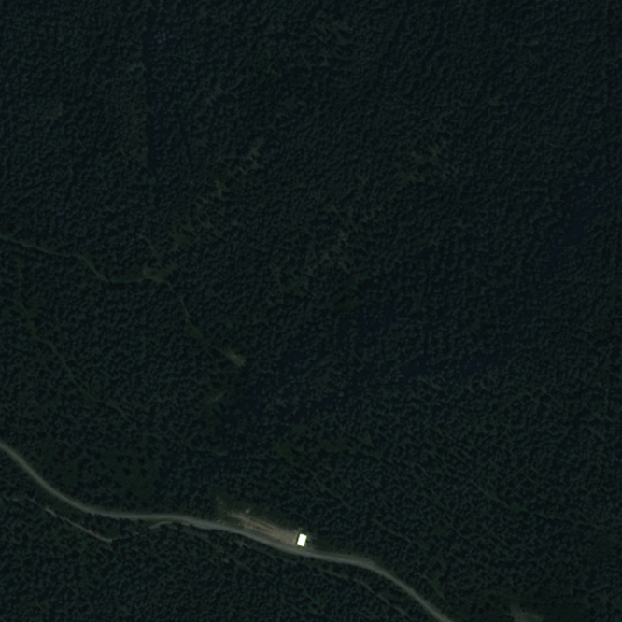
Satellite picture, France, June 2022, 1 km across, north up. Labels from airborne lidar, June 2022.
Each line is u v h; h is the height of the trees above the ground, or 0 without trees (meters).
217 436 6
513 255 23
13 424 34
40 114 21
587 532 27
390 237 30
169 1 19
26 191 27
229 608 21
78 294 15
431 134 23
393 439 32
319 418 30
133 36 20
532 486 37
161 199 22
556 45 30
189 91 35
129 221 23
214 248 31
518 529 9
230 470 23
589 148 14
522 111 32
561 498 25
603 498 13
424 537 6
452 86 30
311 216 32
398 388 34
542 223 29
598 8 31
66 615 19
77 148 23
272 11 35
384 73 29
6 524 22
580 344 24
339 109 23
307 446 6
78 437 25
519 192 29
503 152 16
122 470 6
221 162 7
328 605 7
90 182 23
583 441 30
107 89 21
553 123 25
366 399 26
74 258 7
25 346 24
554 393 27
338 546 6
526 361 24
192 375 29
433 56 39
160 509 9
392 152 21
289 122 24
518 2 33
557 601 8
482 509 30
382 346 16
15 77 16
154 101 34
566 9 24
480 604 15
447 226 26
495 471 28
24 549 25
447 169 27
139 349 21
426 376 24
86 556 8
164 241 22
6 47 25
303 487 27
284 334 37
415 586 17
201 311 29
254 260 32
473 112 24
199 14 31
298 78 28
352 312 7
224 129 40
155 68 29
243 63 27
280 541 0
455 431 28
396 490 30
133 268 33
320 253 26
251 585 19
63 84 20
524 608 10
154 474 6
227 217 13
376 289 38
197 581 22
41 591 16
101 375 30
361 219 27
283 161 28
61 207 31
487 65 37
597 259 28
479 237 14
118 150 30
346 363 14
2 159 29
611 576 17
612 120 29
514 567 31
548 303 25
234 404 5
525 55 30
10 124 22
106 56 21
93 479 7
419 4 25
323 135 29
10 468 25
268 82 22
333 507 29
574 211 21
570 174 8
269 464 26
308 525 23
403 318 35
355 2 23
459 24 29
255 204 20
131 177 31
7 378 19
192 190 24
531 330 16
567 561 10
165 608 20
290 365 19
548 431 14
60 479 14
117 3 19
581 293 32
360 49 20
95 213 31
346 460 8
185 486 11
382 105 27
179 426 23
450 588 23
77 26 27
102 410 19
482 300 27
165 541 21
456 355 29
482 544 8
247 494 17
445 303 27
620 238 18
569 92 27
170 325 20
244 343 12
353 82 20
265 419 31
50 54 30
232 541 7
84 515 8
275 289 30
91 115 9
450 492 28
